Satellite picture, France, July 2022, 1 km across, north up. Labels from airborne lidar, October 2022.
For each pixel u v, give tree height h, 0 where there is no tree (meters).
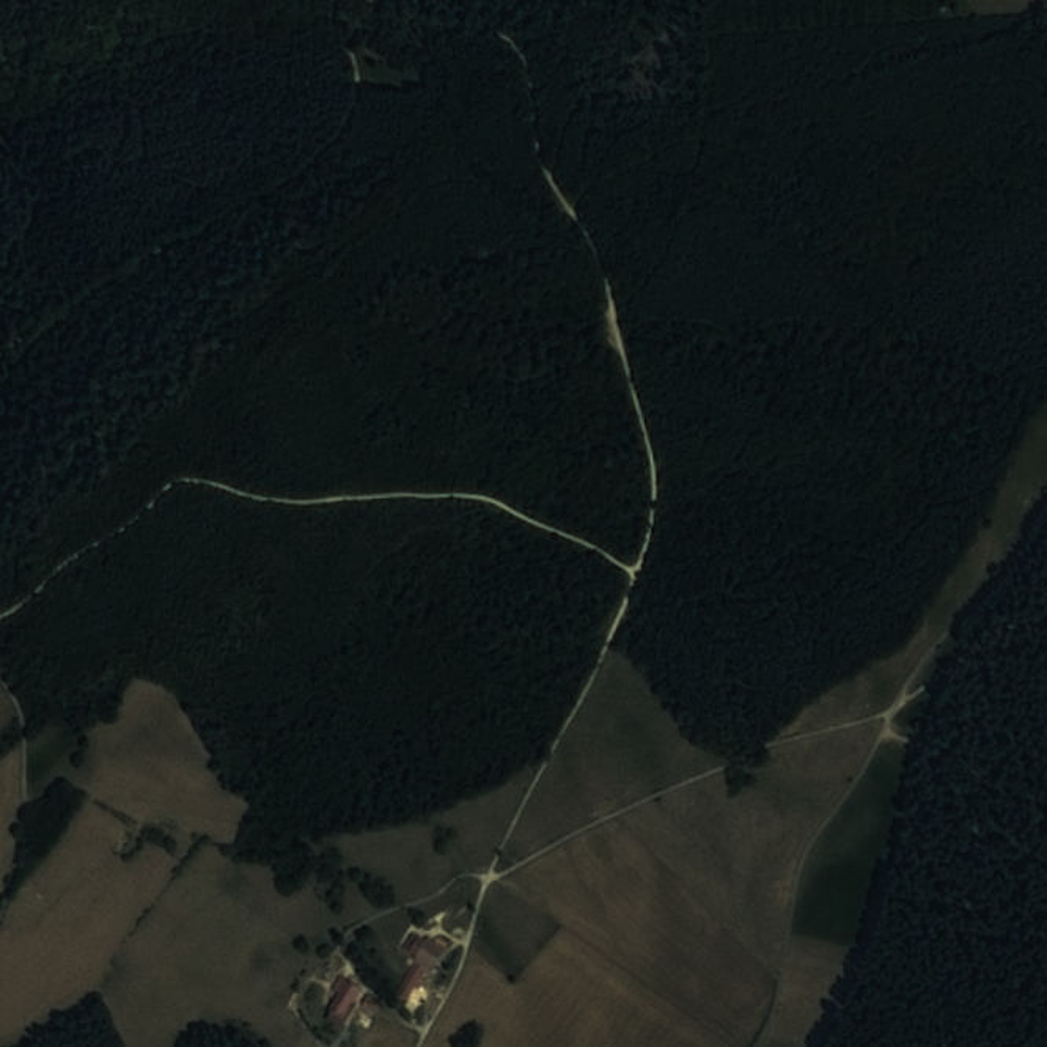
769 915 0
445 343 18
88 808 0
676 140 10
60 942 0
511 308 24
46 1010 0
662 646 17
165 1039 0
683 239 15
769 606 14
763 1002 0
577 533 11
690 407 9
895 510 9
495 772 16
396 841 0
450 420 7
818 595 12
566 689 13
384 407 10
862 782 0
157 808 0
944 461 21
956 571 7
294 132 27
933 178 15
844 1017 33
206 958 0
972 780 36
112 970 0
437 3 27
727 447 8
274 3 13
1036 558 27
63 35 10
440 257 13
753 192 20
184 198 20
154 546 8
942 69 14
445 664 8
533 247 16
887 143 14
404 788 20
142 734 0
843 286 19
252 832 7
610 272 14
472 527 8
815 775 0
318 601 6
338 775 9
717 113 13
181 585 8
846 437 8
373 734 8
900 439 9
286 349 12
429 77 18
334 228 14
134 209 23
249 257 16
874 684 0
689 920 0
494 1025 0
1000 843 37
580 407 7
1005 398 20
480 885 0
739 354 16
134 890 0
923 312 21
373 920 0
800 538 14
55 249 21
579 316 13
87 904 0
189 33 15
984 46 15
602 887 0
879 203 19
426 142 16
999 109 17
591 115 20
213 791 0
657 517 7
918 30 7
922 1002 35
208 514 8
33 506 25
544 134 16
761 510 16
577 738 0
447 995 0
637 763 0
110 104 28
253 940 0
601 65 16
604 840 0
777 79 10
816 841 0
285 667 6
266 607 8
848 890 0
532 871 0
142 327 15
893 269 19
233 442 6
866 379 18
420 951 0
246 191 22
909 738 0
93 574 8
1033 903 33
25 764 0
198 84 34
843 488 14
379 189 19
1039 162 20
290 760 11
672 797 0
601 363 16
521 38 13
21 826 12
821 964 0
